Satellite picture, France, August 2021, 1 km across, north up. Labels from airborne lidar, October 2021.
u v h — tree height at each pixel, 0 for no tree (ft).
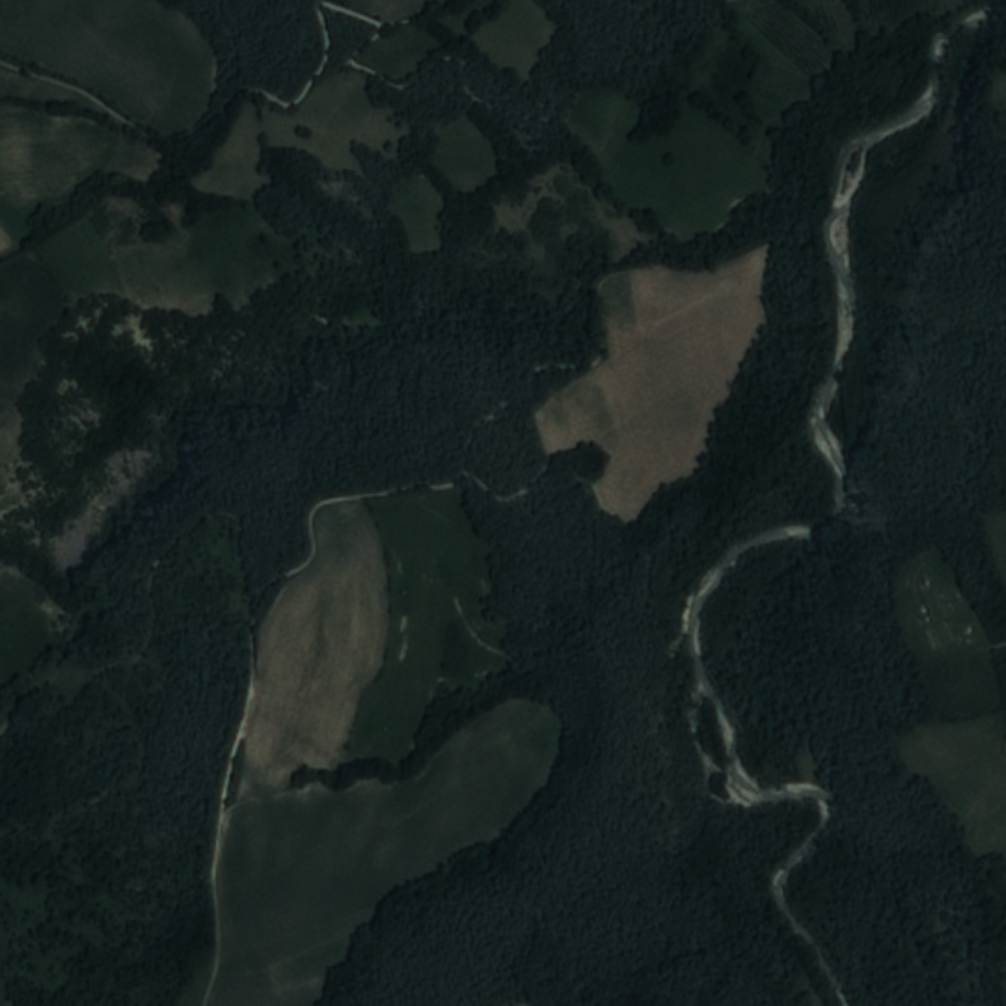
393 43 0
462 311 60
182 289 0
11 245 0
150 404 19
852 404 28
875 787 37
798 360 23
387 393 49
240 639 23
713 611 21
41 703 39
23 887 41
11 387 0
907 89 27
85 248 0
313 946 0
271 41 42
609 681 31
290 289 30
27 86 0
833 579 60
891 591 23
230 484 20
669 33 39
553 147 52
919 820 35
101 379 29
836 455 0
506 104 43
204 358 19
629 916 33
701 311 0
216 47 33
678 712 43
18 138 0
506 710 0
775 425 43
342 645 0
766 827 63
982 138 48
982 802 0
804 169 36
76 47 0
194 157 48
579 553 30
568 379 37
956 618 0
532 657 52
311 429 35
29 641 0
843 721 41
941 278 23
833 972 26
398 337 70
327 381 32
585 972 30
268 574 30
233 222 0
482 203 48
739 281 0
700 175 0
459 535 0
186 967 34
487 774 0
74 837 29
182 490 29
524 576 36
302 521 30
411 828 0
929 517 41
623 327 0
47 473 24
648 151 0
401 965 21
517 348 49
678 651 22
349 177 30
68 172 0
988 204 24
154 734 27
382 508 0
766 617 46
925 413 24
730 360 0
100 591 26
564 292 22
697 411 0
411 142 28
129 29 0
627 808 39
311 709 0
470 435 27
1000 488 31
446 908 33
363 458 20
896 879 39
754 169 0
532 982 59
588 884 32
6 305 0
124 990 19
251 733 0
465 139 0
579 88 55
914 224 34
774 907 59
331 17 30
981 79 66
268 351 46
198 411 42
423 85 36
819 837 26
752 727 26
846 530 35
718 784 22
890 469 30
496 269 20
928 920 49
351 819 0
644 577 39
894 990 36
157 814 21
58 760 25
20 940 25
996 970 41
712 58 0
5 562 29
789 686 41
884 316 26
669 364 0
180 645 33
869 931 29
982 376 25
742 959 61
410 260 50
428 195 0
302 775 52
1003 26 25
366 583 0
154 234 55
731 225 35
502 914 26
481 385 19
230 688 31
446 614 0
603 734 42
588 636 46
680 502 32
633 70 35
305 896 0
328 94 0
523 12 0
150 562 31
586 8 38
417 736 33
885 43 57
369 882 0
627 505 0
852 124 22
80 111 25
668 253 52
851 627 32
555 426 0
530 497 20
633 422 0
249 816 0
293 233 33
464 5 50
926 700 26
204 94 0
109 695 19
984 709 0
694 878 88
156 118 0
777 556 31
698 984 62
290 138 0
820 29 21
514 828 45
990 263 46
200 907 36
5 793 18
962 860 53
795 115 43
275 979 0
